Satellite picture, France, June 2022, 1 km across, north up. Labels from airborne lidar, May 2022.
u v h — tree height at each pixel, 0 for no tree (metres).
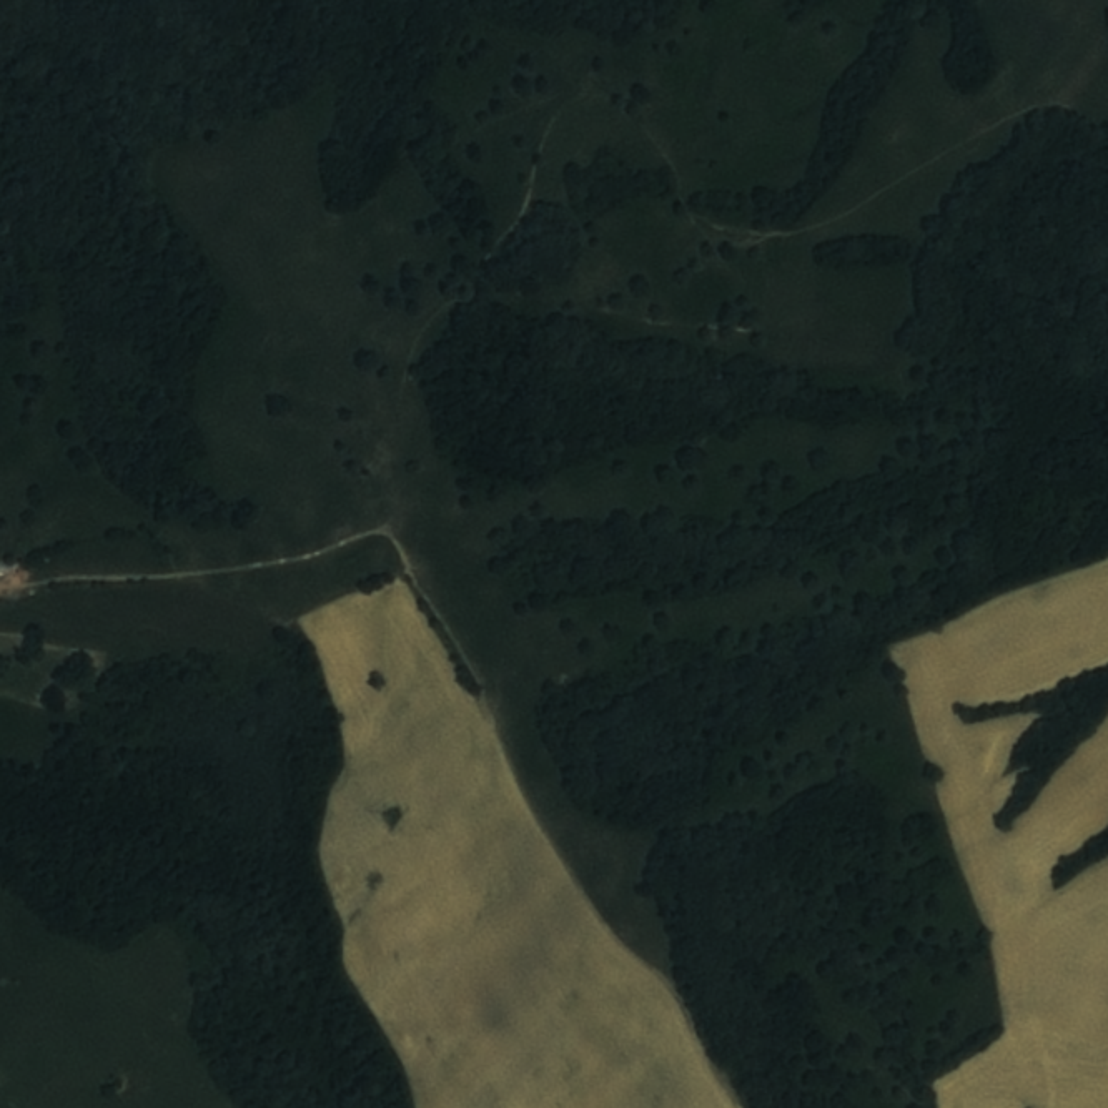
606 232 0
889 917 21
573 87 0
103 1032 0
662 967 0
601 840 0
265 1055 16
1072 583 0
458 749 0
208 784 10
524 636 0
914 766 0
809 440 0
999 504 12
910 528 7
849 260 14
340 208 10
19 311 11
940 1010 0
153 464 26
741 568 18
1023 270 23
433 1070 0
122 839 21
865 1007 15
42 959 0
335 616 0
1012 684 0
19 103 6
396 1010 0
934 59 0
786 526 11
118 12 26
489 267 18
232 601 0
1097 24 0
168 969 0
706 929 23
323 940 17
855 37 0
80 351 6
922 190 0
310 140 0
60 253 9
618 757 30
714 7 18
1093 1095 0
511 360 19
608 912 0
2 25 21
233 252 0
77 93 26
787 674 21
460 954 0
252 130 0
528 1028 0
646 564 23
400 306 15
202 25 18
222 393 0
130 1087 0
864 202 0
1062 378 19
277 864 18
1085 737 12
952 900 0
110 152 30
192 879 20
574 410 19
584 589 16
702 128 0
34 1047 0
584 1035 0
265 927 17
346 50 29
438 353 15
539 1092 0
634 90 11
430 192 8
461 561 0
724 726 25
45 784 18
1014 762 7
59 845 16
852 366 0
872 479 8
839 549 7
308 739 10
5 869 13
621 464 15
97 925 11
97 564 0
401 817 0
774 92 0
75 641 0
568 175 7
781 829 8
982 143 0
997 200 22
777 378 21
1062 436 12
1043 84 0
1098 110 0
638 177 9
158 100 20
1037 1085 0
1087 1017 0
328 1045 19
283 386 0
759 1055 16
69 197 12
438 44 17
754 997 20
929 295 20
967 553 25
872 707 0
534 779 0
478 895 0
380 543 0
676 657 8
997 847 0
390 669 0
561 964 0
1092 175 26
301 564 0
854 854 10
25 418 11
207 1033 12
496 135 0
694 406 22
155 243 22
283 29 15
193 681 13
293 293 0
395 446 0
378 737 0
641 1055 0
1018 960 0
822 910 14
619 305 17
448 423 17
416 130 18
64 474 0
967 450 18
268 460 0
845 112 13
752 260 9
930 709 0
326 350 0
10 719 0
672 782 26
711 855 23
